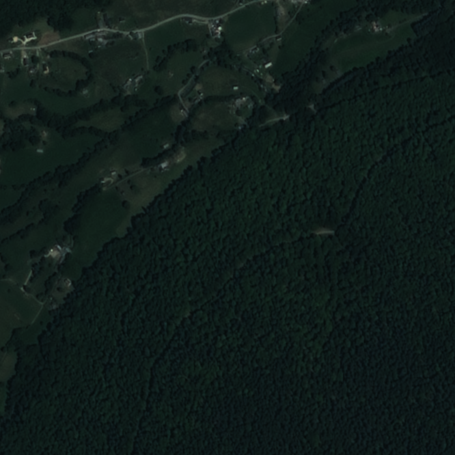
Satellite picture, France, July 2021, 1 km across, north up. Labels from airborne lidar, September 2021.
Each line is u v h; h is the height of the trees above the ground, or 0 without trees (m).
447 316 23
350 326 9
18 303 0
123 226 0
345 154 22
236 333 21
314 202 25
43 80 0
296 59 0
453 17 17
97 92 0
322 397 30
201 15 0
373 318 25
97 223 0
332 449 34
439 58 12
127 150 0
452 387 31
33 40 7
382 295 26
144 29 0
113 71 0
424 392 23
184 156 0
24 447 19
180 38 0
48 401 25
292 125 9
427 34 8
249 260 17
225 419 30
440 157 26
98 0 26
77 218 19
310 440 29
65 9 23
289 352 22
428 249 27
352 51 0
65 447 20
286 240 18
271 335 25
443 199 17
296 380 20
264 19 0
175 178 0
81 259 0
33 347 21
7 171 0
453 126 22
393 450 27
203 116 0
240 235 22
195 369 22
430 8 18
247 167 20
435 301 24
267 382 25
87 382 25
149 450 24
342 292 30
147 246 24
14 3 31
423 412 29
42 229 0
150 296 30
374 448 24
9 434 26
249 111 0
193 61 0
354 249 29
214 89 0
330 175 22
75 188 0
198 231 24
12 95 0
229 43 10
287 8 0
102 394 24
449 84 20
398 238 20
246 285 25
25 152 0
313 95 22
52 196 0
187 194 29
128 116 0
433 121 25
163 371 22
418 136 28
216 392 23
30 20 27
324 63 14
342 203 27
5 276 8
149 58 0
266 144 23
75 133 22
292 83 27
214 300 12
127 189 0
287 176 18
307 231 20
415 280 19
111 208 0
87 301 25
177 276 27
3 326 0
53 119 20
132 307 24
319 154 28
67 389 24
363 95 23
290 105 21
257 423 29
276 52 0
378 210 21
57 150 0
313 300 27
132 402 25
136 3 0
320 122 27
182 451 13
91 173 0
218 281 27
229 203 21
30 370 16
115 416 27
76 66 0
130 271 27
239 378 23
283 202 25
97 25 7
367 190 18
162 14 0
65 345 26
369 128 25
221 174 26
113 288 27
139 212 0
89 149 13
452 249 24
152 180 0
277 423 29
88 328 25
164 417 22
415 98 19
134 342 28
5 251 0
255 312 18
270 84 0
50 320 0
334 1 0
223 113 0
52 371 27
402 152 9
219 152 23
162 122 0
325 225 18
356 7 9
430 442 23
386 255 9
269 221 25
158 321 23
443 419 27
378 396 28
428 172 20
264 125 9
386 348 32
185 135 17
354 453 28
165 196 17
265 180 23
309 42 0
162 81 0
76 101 0
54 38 0
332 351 32
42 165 0
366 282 22
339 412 20
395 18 0
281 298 19
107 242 0
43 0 29
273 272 23
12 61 0
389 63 23
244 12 0
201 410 21
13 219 18
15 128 16
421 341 22
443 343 18
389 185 24
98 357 22
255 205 21
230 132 9
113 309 24
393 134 19
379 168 22
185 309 24
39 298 12
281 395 26
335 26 9
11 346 10
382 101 25
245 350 20
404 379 27
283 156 16
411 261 24
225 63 18
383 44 0
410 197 21
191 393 22
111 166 0
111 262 28
